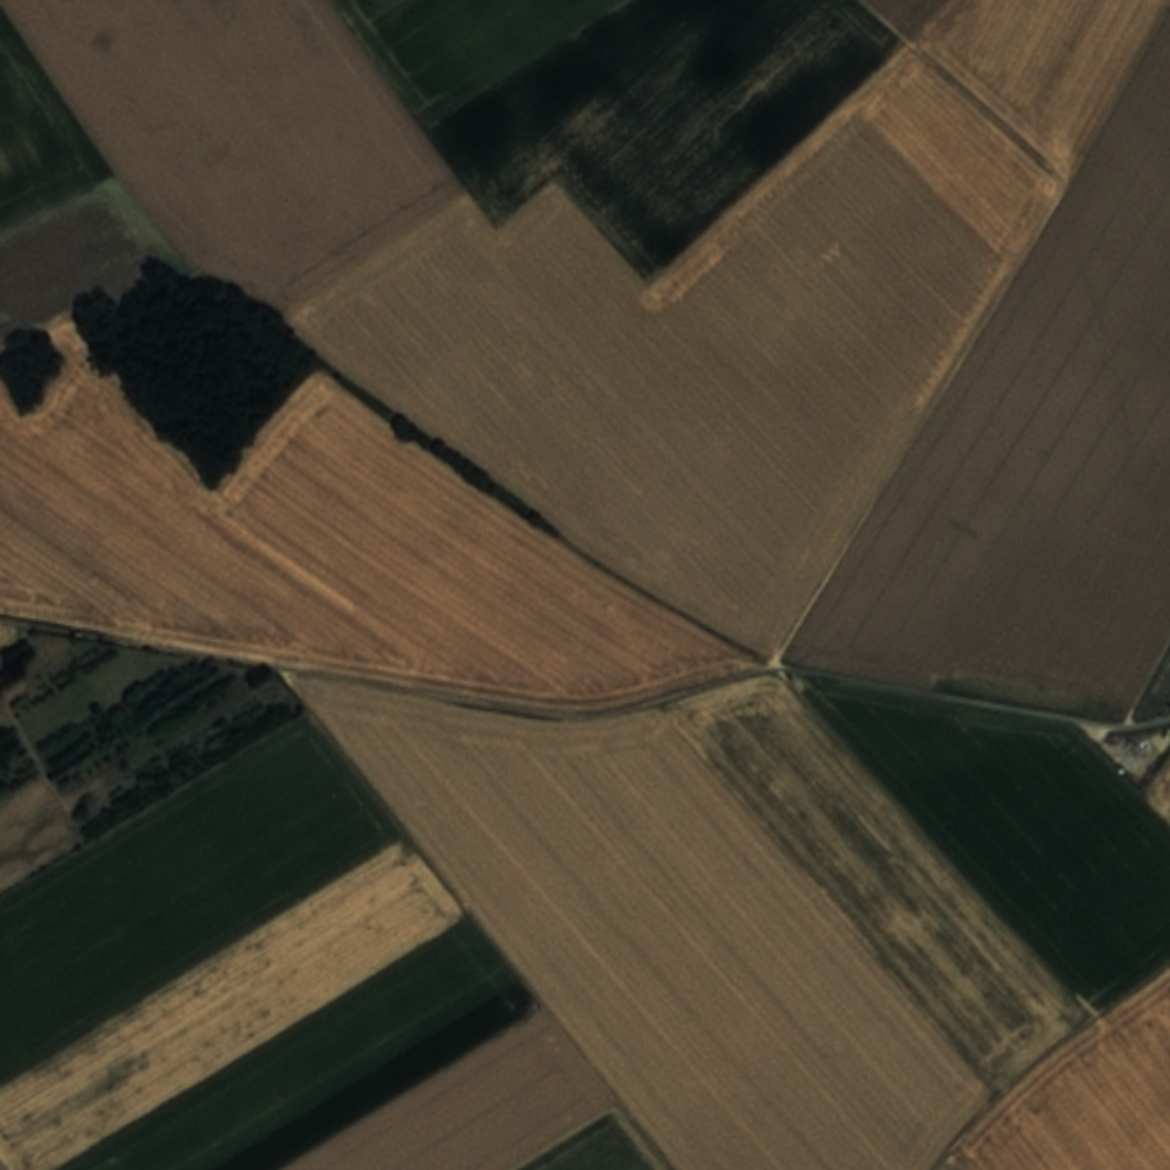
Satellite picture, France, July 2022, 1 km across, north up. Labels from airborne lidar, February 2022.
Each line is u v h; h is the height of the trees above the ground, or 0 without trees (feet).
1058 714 0
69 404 0
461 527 0
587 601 0
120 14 0
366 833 0
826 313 0
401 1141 0
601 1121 0
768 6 0
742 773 0
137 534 0
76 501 0
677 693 0
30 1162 0
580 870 0
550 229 0
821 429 0
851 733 0
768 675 0
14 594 0
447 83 0
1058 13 0
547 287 0
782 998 0
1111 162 0
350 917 0
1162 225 0
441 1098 0
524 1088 0
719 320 0
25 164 0
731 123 0
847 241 0
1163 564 0
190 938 0
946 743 0
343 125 0
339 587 0
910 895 0
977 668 0
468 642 0
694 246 0
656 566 0
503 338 0
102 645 21
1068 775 0
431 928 0
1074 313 0
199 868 0
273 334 63
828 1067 0
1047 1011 0
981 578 0
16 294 0
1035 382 0
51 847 0
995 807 0
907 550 0
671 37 0
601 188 0
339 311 0
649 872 0
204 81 0
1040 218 0
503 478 0
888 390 0
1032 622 0
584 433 0
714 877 0
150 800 19
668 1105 0
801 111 0
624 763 0
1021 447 0
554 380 0
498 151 0
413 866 0
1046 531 0
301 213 0
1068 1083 0
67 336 0
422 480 0
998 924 0
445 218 0
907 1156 0
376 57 0
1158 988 0
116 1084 0
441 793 0
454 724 0
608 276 0
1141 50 0
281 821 0
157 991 0
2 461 0
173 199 0
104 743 28
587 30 0
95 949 0
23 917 0
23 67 0
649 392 0
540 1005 0
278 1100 0
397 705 0
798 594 0
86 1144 0
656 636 0
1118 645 0
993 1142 0
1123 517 0
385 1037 0
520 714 0
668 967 0
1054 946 0
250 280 0
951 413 0
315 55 0
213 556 0
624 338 0
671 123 0
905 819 0
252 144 0
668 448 0
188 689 40
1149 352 0
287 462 0
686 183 0
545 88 0
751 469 0
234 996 0
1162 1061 0
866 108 0
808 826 0
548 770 0
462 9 0
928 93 0
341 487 0
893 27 0
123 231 0
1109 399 0
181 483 0
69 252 0
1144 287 0
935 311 0
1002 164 0
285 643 0
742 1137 0
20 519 0
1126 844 0
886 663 0
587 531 0
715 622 0
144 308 57
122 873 0
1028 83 0
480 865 0
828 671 0
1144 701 0
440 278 0
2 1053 0
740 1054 0
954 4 0
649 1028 0
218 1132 0
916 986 0
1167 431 0
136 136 0
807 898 0
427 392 0
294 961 0
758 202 0
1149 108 0
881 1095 0
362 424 0
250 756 0
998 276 0
